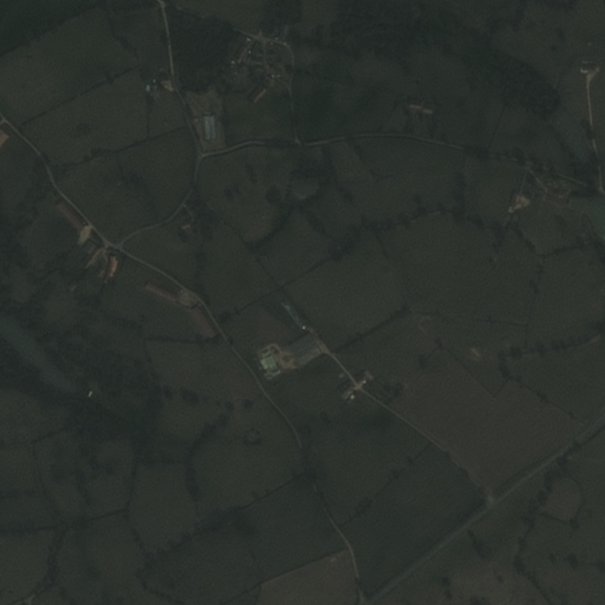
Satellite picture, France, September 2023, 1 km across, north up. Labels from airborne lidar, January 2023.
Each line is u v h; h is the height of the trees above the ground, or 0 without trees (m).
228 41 8
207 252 0
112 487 0
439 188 0
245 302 0
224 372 0
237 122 0
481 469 0
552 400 0
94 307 10
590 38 0
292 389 0
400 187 0
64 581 0
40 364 0
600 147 0
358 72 0
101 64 0
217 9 0
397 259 0
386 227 11
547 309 0
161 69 0
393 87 0
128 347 0
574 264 0
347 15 6
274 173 0
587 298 0
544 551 0
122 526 0
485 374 0
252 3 0
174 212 0
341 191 13
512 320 0
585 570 0
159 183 0
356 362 0
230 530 0
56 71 0
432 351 0
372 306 0
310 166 0
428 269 0
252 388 0
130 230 0
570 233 0
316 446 0
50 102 0
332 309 0
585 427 0
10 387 0
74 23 0
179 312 0
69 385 0
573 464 0
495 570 9
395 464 0
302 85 0
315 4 0
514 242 0
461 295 0
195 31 6
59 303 0
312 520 0
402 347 0
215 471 0
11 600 0
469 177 0
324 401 0
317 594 0
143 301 0
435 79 0
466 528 0
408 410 0
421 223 0
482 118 0
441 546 0
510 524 0
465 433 0
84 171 0
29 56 0
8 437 0
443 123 0
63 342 15
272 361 0
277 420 0
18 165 0
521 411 0
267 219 0
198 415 0
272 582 0
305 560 0
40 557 0
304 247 0
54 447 0
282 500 0
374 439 0
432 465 0
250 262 0
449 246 0
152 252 0
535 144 0
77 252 0
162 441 0
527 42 0
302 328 0
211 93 0
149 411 18
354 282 0
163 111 0
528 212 0
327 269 0
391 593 0
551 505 0
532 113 16
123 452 0
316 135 0
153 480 0
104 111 0
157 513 0
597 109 0
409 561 0
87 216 0
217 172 0
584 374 0
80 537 0
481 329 0
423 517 0
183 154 0
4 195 0
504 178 0
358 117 0
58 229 0
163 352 0
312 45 12
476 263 0
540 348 13
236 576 0
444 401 0
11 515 0
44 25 0
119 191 0
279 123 0
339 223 0
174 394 9
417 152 0
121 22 0
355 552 0
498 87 0
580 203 0
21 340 0
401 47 18
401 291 0
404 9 14
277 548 0
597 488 0
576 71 0
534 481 0
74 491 0
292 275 0
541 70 0
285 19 12
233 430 0
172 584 9
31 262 0
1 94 0
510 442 0
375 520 0
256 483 0
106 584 0
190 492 15
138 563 0
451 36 0
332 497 0
